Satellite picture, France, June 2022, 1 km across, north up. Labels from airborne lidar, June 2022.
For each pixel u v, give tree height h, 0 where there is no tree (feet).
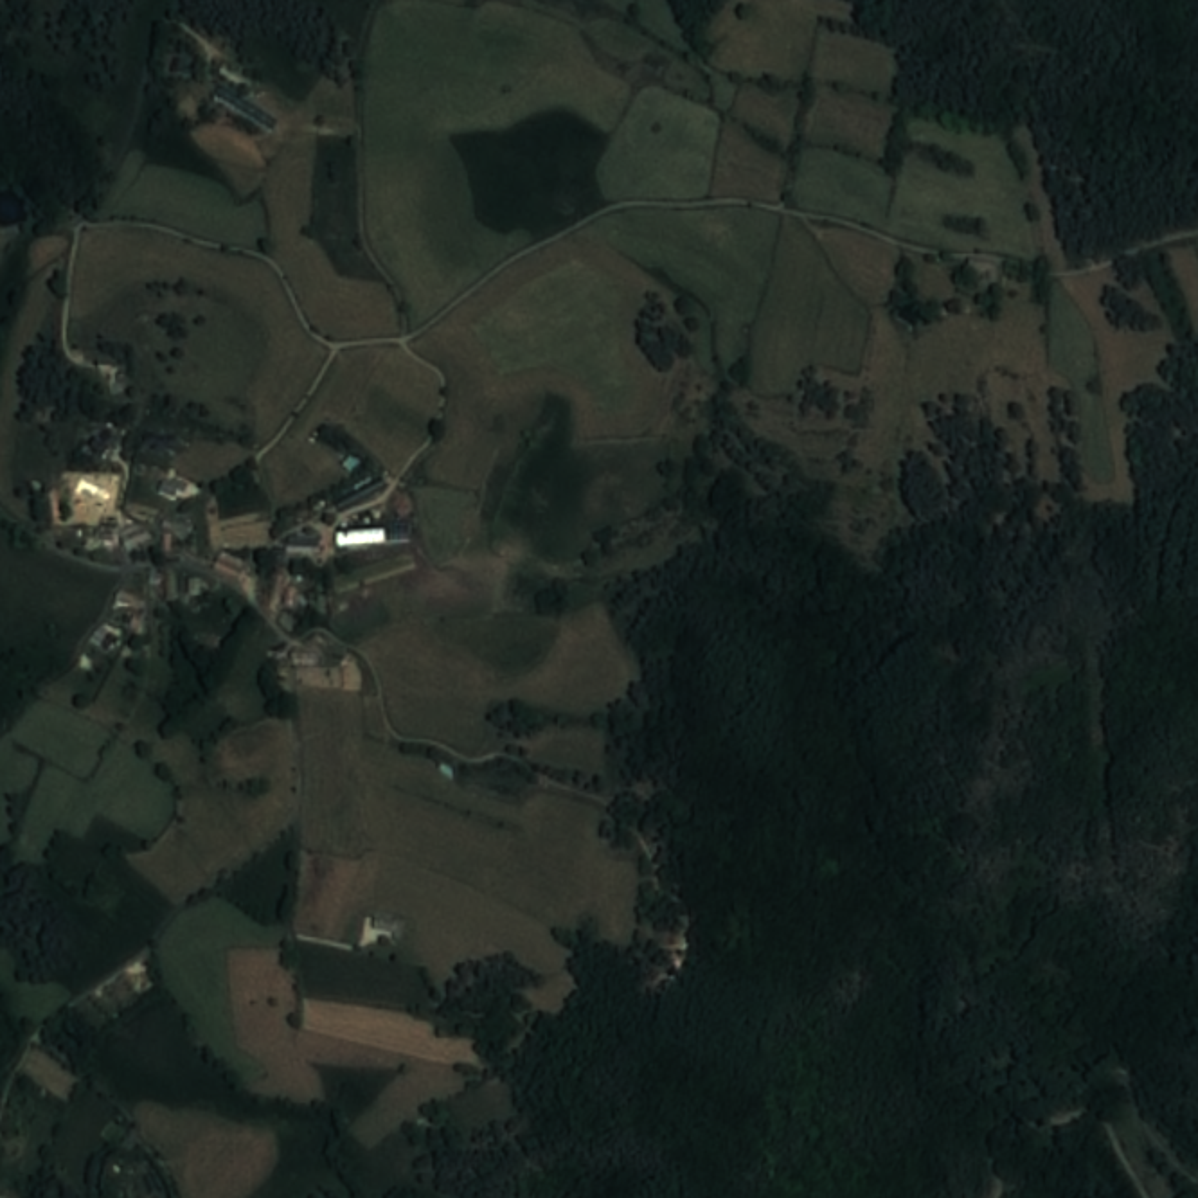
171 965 0
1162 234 52
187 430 0
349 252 0
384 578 0
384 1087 0
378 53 0
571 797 0
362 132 0
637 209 0
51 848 23
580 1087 56
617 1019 66
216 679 62
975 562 38
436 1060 0
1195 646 62
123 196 0
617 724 39
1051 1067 50
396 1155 0
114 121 0
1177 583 71
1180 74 73
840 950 48
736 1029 104
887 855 91
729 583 32
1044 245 0
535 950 0
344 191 0
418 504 0
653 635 35
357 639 0
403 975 0
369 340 0
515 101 0
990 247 0
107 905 0
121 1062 0
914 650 96
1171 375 59
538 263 0
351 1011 0
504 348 0
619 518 0
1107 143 48
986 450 54
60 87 51
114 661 25
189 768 0
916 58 41
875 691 79
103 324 0
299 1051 0
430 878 0
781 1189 59
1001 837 52
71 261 0
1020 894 29
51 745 0
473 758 0
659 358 48
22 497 42
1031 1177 59
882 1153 54
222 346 0
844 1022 49
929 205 0
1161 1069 29
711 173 0
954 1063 61
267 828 0
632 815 40
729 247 0
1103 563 48
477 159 0
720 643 58
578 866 0
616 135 0
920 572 57
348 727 0
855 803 58
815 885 49
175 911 0
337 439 26
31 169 64
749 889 63
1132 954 45
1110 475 0
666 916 25
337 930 0
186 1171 0
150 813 0
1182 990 55
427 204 0
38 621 0
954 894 53
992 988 51
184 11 34
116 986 0
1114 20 62
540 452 0
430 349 0
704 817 55
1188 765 38
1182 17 60
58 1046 34
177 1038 0
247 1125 0
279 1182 0
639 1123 59
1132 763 44
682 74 0
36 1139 0
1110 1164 25
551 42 0
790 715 75
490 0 0
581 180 0
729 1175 75
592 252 0
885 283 0
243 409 0
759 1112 72
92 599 0
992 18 26
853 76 0
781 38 0
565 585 32
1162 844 35
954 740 43
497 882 0
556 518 0
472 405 0
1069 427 36
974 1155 55
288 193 0
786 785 46
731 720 50
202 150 0
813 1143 51
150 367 0
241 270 0
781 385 0
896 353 0
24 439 0
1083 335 0
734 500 46
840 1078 51
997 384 0
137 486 0
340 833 0
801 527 42
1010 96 44
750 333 0
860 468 35
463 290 0
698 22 55
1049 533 26
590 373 0
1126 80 65
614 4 0
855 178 0
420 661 0
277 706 51
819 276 0
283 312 0
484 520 0
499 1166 49
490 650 0
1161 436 61
